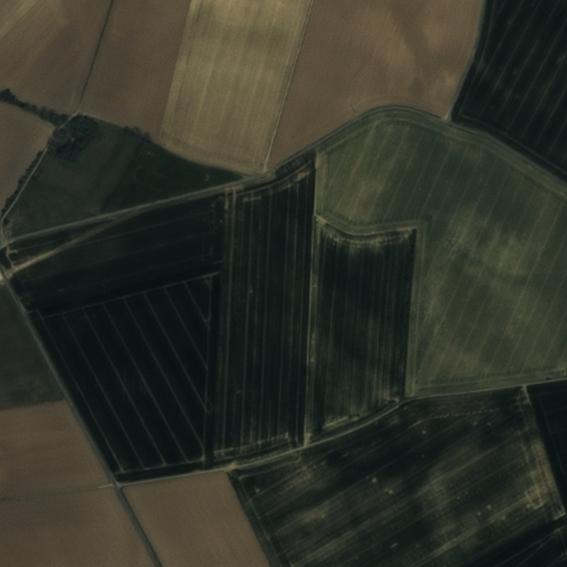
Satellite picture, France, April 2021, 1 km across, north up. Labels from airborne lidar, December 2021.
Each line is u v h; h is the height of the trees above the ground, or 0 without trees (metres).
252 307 0
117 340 0
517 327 0
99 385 0
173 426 0
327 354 0
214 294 0
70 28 0
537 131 0
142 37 0
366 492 0
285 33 0
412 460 0
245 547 0
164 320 0
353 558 0
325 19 0
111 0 0
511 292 0
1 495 0
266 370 0
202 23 0
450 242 0
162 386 0
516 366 0
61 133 12
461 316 0
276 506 0
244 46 0
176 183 0
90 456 0
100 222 0
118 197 0
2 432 0
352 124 0
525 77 0
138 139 13
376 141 0
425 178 0
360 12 0
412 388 0
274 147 0
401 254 0
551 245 0
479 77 0
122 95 0
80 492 0
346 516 0
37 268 0
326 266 0
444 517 0
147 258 0
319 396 0
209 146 0
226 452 0
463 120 0
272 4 0
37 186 0
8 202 6
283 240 0
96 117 0
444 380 0
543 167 0
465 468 0
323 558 0
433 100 0
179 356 0
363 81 0
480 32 0
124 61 0
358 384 0
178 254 0
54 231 0
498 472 0
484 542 0
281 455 0
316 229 0
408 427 0
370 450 0
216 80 0
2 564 0
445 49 0
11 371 0
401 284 0
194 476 0
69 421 0
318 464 0
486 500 0
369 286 0
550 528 0
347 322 0
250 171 0
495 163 0
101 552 0
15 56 0
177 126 0
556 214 0
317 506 0
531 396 0
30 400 0
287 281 0
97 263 0
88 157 0
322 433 0
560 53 0
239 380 0
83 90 0
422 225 0
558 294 0
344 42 0
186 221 0
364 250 0
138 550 0
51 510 0
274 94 0
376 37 0
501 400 0
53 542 0
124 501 0
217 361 0
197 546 0
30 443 0
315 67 0
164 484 0
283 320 0
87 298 0
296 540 0
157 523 0
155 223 0
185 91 0
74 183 0
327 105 0
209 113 0
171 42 0
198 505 0
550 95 0
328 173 0
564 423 0
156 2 0
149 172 0
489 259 0
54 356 0
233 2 0
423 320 0
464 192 0
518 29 0
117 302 0
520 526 0
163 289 0
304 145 0
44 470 0
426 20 0
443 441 0
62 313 0
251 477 0
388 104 0
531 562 0
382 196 0
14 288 0
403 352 0
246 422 0
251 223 0
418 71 0
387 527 0
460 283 0
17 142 0
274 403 0
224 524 0
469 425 0
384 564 0
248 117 0
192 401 0
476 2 0
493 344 0
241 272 0
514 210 0
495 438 0
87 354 0
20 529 0
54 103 0
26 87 0
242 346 0
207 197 0
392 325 0
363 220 0
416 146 0
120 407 0
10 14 0
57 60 0
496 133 0
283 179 0
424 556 0
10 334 0
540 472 0
